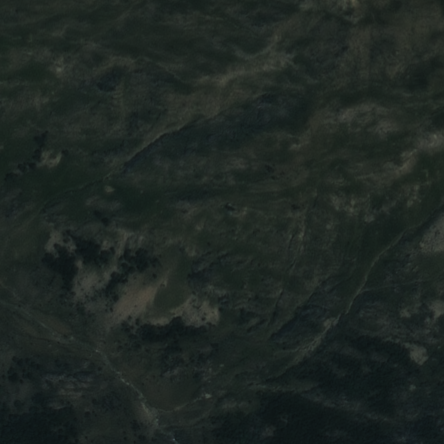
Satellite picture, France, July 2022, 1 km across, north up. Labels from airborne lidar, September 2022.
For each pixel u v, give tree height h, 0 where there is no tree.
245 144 0
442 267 0
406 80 0
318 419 10
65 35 0
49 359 0
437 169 0
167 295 0
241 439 10
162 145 0
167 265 0
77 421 8
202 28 0
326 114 0
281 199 0
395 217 0
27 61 0
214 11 0
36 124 0
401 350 7
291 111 0
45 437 13
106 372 0
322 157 0
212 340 0
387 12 0
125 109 0
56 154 0
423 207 0
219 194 0
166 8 0
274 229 0
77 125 0
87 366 0
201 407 0
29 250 0
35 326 0
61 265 15
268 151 0
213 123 0
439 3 0
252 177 0
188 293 0
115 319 0
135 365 0
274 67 0
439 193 0
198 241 0
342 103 0
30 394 0
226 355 0
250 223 0
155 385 0
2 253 0
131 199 0
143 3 0
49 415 16
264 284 0
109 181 0
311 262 0
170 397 0
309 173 0
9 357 0
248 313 9
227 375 0
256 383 0
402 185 0
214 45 0
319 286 0
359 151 0
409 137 0
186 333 15
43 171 0
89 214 0
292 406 7
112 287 10
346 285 0
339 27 0
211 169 0
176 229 0
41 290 0
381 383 7
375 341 9
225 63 0
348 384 9
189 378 0
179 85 0
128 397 0
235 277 0
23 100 0
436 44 0
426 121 0
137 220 0
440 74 0
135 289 0
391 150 0
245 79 0
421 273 0
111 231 0
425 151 0
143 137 0
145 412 0
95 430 0
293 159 0
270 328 0
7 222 0
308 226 0
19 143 0
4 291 0
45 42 0
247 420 10
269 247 0
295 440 11
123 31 0
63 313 0
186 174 0
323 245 0
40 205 0
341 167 0
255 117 0
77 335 0
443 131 0
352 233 0
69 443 17
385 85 0
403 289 0
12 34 0
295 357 0
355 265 0
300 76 0
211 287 0
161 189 0
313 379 10
